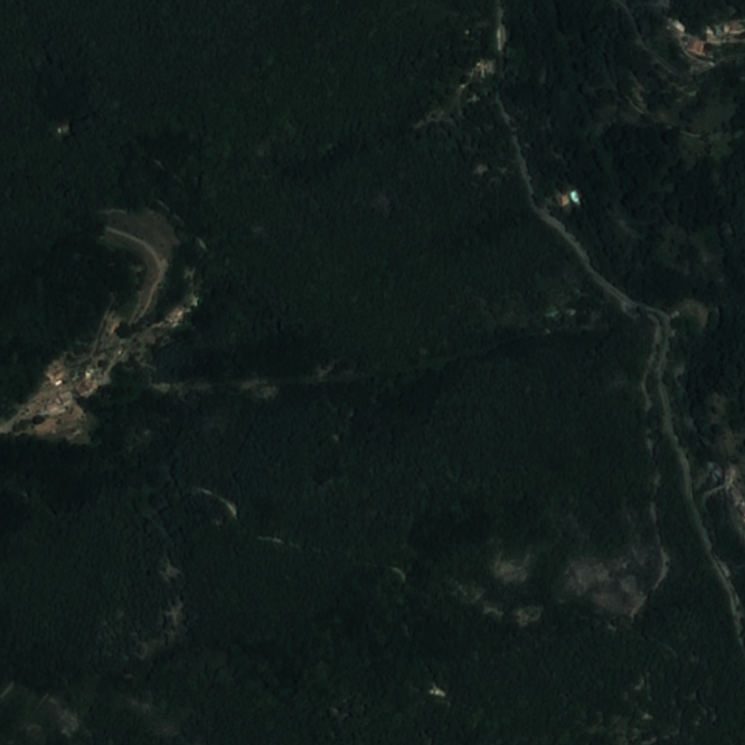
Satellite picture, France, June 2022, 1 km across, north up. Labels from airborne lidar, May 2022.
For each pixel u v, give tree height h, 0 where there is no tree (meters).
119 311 8
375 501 10
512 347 23
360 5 17
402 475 14
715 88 14
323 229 11
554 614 13
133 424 12
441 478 14
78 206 17
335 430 17
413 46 18
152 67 13
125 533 19
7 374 20
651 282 22
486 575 12
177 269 8
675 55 7
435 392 23
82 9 14
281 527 12
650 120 10
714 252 0
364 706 21
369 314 12
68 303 9
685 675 17
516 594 13
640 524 10
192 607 13
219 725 15
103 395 9
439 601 11
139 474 22
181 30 12
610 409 14
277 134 10
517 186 11
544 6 19
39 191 14
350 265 17
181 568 6
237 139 15
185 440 11
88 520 14
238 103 19
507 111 13
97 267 14
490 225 38
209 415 12
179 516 12
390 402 16
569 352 21
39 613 13
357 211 8
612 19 21
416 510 13
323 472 25
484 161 15
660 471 8
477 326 15
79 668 12
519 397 16
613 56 15
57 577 14
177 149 9
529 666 15
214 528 12
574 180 22
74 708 10
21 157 22
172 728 0
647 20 10
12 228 21
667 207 12
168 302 9
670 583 10
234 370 8
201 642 11
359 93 22
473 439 12
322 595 21
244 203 14
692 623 11
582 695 15
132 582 9
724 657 19
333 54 16
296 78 23
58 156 19
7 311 12
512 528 15
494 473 13
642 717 11
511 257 17
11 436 14
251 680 18
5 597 14
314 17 21
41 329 12
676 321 14
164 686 15
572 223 18
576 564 0
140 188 10
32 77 22
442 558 12
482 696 15
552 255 14
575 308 14
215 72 12
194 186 8
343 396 19
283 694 21
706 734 18
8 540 23
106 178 17
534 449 15
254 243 13
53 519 20
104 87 18
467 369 23
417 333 13
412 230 16
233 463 15
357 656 21
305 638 21
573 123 17
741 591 12
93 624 10
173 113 17
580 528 6
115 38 15
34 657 17
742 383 15
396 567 12
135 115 16
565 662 14
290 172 24
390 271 21
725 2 17
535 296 15
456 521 16
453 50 22
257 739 15
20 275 16
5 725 9
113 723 18
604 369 9
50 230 16
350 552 13
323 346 11
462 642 14
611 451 18
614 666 16
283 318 24
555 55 17
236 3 11
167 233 0
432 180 17
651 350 8
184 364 11
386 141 26
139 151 18
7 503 12
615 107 7
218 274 19
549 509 8
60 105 20
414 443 13
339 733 19
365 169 14
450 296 12
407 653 13
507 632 15
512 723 8
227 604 18
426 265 20
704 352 16
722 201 16
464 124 16
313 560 15
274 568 13
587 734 14
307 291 17
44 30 20
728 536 9
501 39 0
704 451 18
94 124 17
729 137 16
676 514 13
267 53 15
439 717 17
